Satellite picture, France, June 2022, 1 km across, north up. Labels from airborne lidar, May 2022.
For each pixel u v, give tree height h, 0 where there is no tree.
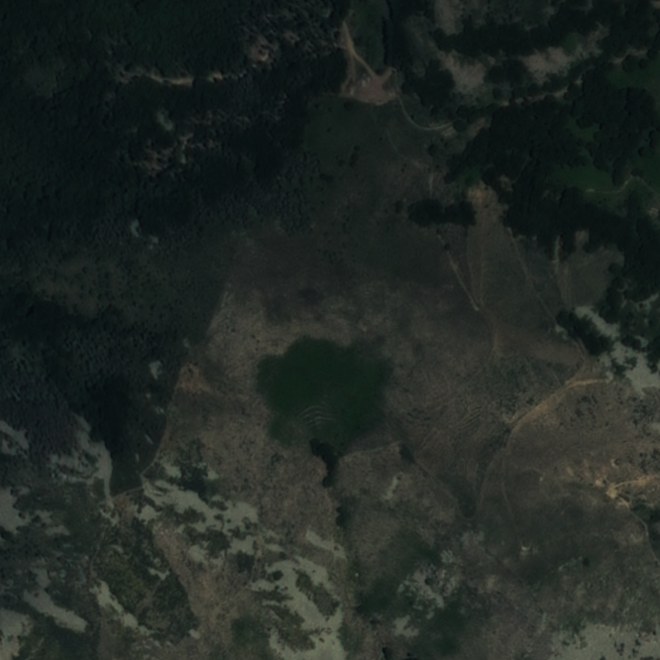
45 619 0
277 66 12
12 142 14
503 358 0
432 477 0
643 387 0
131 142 10
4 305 18
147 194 9
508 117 19
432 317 0
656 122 18
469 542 0
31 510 0
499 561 0
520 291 0
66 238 8
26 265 8
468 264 0
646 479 0
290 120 16
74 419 10
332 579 0
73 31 15
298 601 0
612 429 0
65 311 8
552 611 0
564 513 0
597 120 21
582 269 0
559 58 0
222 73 17
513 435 0
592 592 0
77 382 9
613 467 0
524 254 0
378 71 6
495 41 16
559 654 0
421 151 0
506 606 0
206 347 0
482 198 0
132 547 0
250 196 11
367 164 0
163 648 0
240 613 0
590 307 0
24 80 7
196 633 0
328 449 20
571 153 20
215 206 7
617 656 0
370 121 0
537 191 21
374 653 0
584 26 12
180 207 12
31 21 16
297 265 0
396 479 0
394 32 13
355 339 0
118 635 0
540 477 0
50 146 14
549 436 0
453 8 0
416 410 0
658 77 0
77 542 0
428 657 0
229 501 0
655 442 0
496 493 0
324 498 0
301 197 9
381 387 0
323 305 0
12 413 13
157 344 6
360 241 0
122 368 7
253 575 0
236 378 0
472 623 0
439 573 0
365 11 0
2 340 12
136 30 20
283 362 0
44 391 12
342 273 0
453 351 0
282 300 0
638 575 0
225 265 0
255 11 15
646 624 0
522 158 11
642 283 9
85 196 17
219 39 26
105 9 14
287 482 0
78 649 0
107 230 10
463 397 0
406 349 0
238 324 0
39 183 10
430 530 0
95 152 25
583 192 11
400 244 0
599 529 0
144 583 0
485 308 0
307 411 0
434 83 11
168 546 0
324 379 0
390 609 0
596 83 28
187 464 0
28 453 8
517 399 0
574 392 0
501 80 9
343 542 0
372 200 0
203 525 0
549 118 27
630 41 14
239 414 0
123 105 14
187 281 6
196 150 11
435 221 7
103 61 15
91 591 0
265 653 0
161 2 17
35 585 0
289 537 0
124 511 0
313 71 11
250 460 0
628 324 9
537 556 0
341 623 0
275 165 14
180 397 0
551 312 0
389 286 0
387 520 0
